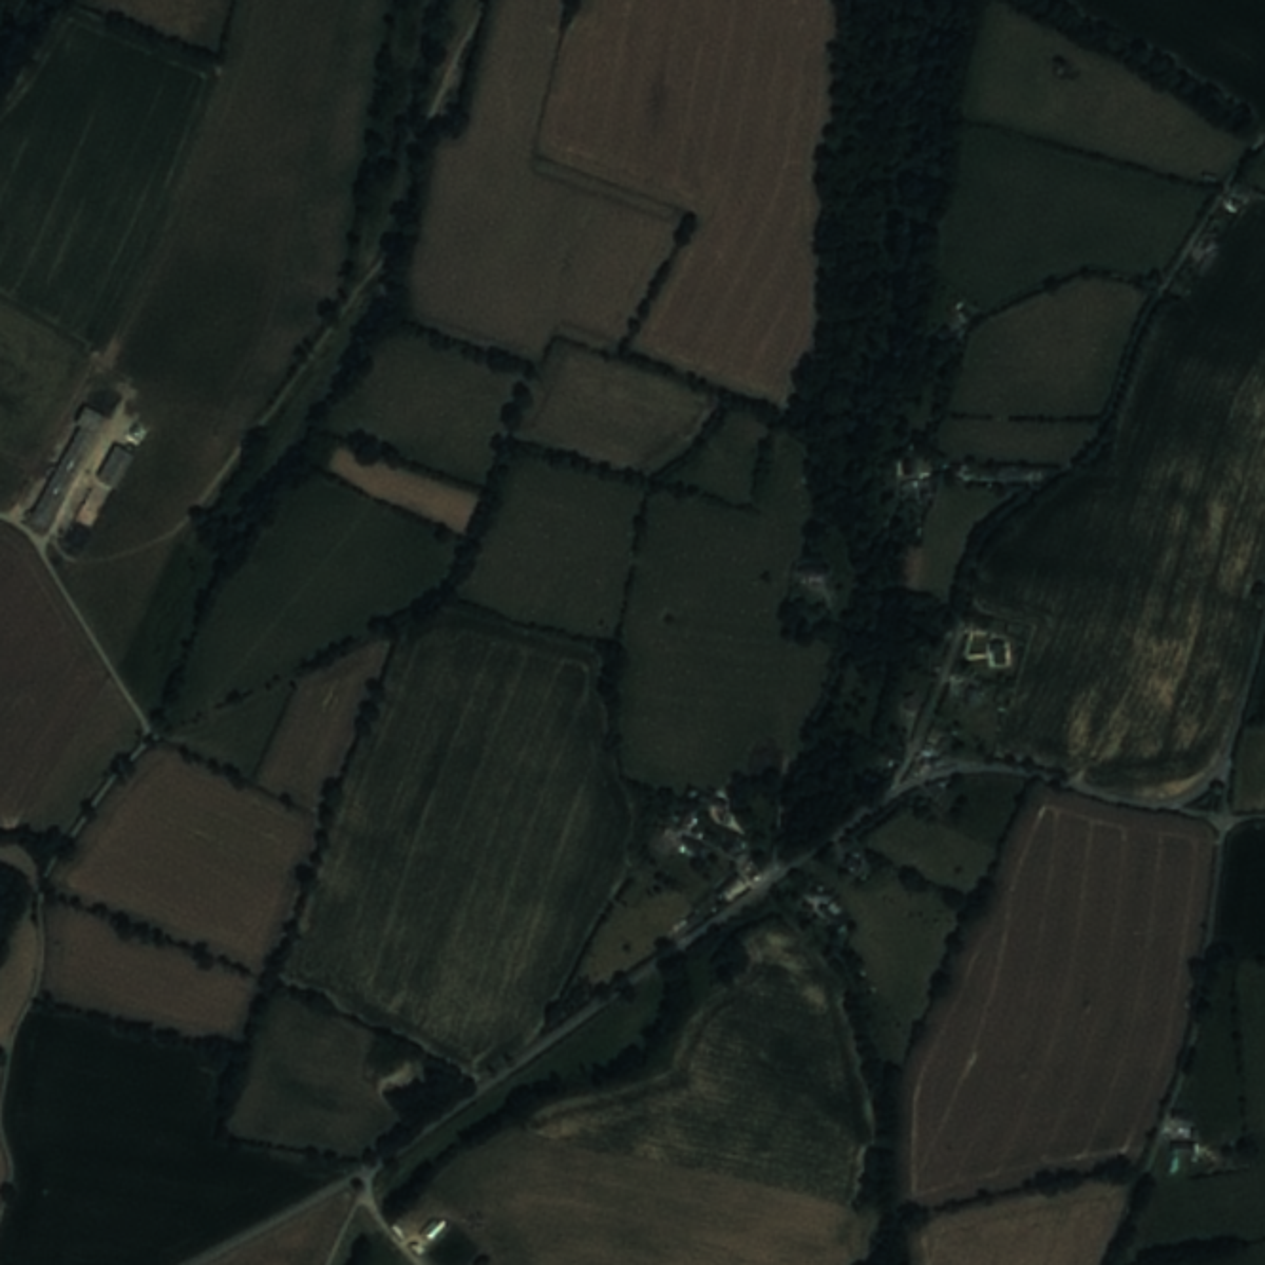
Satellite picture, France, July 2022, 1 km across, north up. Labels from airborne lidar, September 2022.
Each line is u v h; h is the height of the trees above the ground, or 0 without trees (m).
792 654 0
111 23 13
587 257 0
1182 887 0
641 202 0
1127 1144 0
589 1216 0
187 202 0
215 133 0
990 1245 0
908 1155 0
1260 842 0
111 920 11
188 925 0
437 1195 0
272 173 0
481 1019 0
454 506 0
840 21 13
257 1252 0
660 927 0
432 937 0
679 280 0
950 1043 0
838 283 16
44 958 0
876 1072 15
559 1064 0
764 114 0
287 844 0
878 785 18
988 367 0
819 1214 0
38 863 10
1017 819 6
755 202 0
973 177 0
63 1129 0
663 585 0
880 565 10
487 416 0
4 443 0
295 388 0
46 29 15
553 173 0
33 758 0
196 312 0
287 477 17
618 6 0
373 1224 0
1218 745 0
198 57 11
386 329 20
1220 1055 0
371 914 0
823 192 11
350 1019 6
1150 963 0
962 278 0
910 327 16
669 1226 0
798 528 0
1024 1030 0
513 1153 0
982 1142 0
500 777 0
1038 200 0
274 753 0
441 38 11
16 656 0
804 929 13
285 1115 0
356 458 12
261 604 0
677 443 0
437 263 0
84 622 0
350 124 0
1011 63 0
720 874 0
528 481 0
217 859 0
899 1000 0
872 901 0
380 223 0
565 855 0
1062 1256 0
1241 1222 0
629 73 0
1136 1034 0
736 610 0
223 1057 16
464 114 15
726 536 0
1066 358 0
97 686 0
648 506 8
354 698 0
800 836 30
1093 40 10
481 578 0
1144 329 7
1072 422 7
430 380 0
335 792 15
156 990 0
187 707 0
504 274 0
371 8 0
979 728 0
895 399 20
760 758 0
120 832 0
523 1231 0
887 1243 18
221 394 0
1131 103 0
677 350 0
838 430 18
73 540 0
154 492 0
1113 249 0
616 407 0
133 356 0
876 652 23
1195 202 0
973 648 0
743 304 0
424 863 0
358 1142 0
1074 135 0
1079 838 0
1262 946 0
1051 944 0
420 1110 15
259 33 0
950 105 18
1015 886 0
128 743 0
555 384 0
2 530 0
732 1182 0
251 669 0
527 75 0
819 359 16
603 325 0
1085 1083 0
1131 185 0
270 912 0
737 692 0
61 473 0
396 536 0
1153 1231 0
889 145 18
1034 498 8
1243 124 22
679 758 0
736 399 15
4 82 19
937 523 0
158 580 0
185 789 0
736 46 0
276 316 0
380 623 13
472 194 0
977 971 0
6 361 0
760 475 7
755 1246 0
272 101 0
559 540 0
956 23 16
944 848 0
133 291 0
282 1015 0
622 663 15
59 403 0
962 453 0
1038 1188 11
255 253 0
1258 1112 0
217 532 22
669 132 0
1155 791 0
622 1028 0
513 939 0
